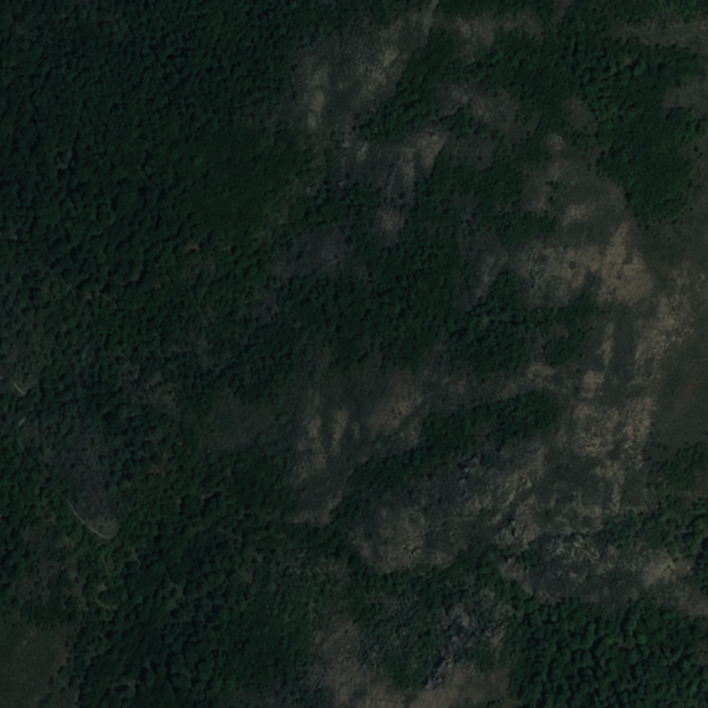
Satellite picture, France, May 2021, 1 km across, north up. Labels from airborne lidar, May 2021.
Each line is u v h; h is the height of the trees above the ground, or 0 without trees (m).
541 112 6
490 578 14
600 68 9
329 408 0
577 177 0
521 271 0
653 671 20
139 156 26
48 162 24
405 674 6
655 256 0
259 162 12
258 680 9
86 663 14
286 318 7
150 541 16
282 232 16
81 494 10
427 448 9
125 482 16
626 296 0
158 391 12
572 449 0
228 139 16
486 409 9
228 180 20
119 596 18
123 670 9
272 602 6
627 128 10
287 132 10
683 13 8
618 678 9
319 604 9
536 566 7
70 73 20
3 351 8
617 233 0
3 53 14
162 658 14
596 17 10
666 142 7
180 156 8
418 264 20
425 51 11
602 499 0
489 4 8
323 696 7
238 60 25
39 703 7
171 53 16
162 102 17
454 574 7
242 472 13
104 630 12
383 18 7
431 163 0
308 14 11
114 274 22
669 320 0
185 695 20
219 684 16
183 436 10
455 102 0
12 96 9
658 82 13
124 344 15
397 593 7
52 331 10
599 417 0
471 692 0
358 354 9
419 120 13
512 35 9
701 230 0
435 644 7
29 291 8
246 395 11
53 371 16
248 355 15
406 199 15
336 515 11
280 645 9
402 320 16
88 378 13
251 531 20
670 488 5
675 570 0
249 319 7
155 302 19
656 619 17
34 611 10
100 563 14
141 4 24
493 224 10
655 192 11
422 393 0
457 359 7
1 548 19
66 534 8
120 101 12
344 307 21
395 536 0
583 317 8
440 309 13
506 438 10
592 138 10
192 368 11
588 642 29
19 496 18
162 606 19
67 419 18
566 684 18
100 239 23
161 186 19
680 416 0
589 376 0
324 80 0
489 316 17
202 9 21
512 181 9
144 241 27
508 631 10
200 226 19
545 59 20
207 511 26
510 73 14
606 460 0
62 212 7
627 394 0
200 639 20
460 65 8
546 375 0
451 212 12
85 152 26
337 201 22
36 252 23
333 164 13
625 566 0
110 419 17
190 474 23
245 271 16
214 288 26
